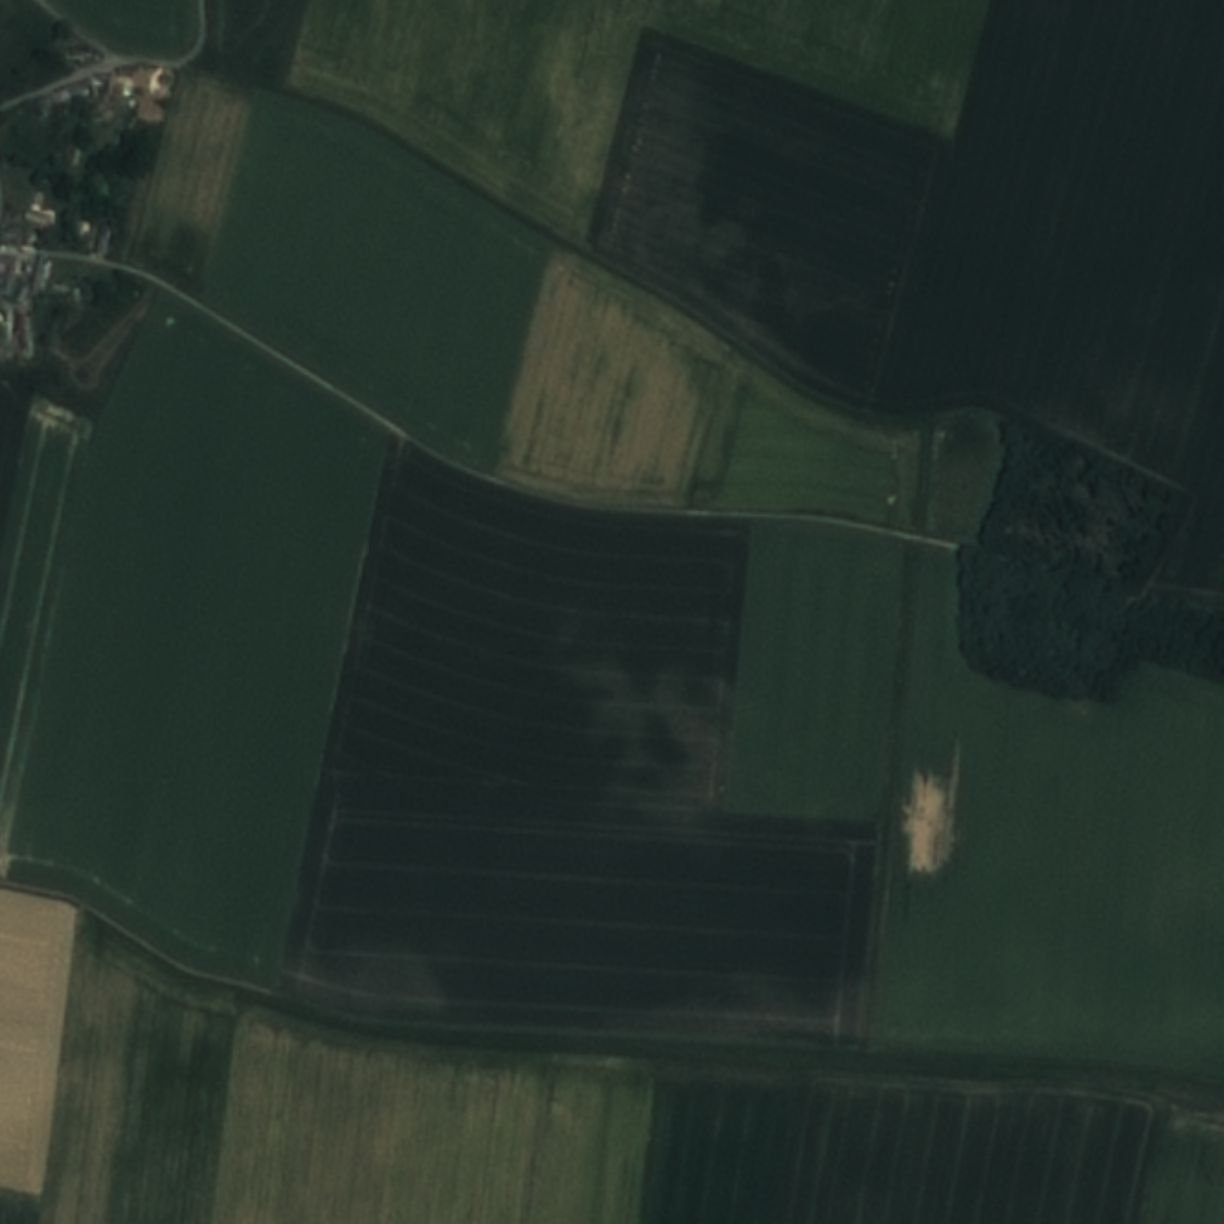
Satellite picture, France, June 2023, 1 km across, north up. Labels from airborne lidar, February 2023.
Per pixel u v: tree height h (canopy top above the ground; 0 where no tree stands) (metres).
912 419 0
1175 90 0
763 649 0
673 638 0
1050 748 0
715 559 0
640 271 0
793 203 0
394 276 0
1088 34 0
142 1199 0
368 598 0
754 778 0
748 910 0
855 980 0
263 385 0
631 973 0
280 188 0
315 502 0
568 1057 0
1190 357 0
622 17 0
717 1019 0
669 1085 0
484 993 0
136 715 0
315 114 0
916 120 0
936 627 0
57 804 0
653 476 0
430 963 0
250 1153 0
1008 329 0
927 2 0
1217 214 0
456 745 0
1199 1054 0
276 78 0
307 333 0
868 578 0
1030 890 0
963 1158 0
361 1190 0
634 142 0
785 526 0
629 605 0
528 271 0
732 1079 0
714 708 0
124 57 0
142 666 0
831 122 0
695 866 0
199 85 0
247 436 0
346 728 0
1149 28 0
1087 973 0
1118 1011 0
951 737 0
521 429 0
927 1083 0
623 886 0
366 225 0
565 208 0
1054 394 0
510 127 0
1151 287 0
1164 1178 0
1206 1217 0
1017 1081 0
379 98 0
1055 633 23
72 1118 0
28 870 0
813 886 0
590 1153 0
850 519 0
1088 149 0
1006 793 0
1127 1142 0
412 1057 0
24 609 0
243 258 0
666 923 0
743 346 0
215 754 0
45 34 0
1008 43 0
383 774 0
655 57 0
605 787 0
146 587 0
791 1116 0
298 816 0
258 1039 0
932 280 0
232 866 0
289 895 0
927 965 0
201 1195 0
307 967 0
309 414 0
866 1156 0
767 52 0
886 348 0
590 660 0
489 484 0
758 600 0
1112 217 0
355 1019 0
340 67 0
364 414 0
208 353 0
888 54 0
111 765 0
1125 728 0
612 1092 0
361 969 0
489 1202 0
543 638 0
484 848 0
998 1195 0
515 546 0
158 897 0
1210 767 0
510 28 0
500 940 0
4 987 0
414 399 0
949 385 0
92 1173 0
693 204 0
